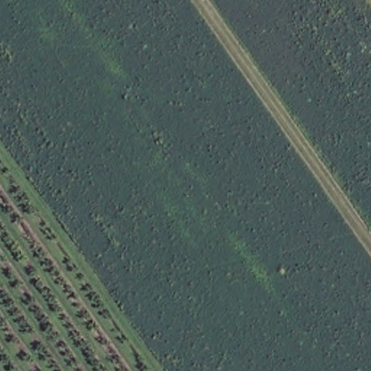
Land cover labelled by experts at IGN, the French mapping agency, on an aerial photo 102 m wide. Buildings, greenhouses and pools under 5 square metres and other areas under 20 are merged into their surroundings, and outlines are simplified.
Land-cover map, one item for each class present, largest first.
<instances>
[{"label":"agricultural land","instance_id":"1","mask_svg":"<svg viewBox=\"0 0 371 371\"><path fill-rule=\"evenodd\" d=\"M0 141L14 162L25 171V178L33 190L51 207L59 228L67 233L71 242L77 246L78 252L90 262L101 283L109 291V296L119 307L120 312L128 317L130 325L139 333L146 348L162 365L164 371H371V258L357 241L352 230L343 222L341 214L330 203L312 172L285 139L284 133L262 106L257 94L246 83L241 72L235 67L190 0H0ZM217 12L235 33L246 52L251 55L252 61L262 72L265 80L277 91L285 109L296 120L304 136L312 143L317 154L332 175H335L342 190L361 214L368 230H371V0H212Z\"/></svg>","mask_w":371,"mask_h":371},{"label":"herbaceous vegetation","instance_id":"2","mask_svg":"<svg viewBox=\"0 0 371 371\"><path fill-rule=\"evenodd\" d=\"M235 67L241 72L246 83L257 94L262 106L284 133L285 139L312 172L330 203L341 214L343 222L352 230L357 241L371 258V230H368L361 214L342 190L335 175H332L317 154L312 143L304 136L296 120L285 109L277 91L265 80L262 72L252 61L251 55L246 52L235 33L217 12L212 0H190ZM22 193L28 196L29 213L19 226L16 222L17 216H22L23 212L14 199ZM80 339L87 342L90 354L106 368V371H164L162 365L146 348L139 333L130 325L128 317L120 312L119 307L109 296V291L101 283L90 262L78 252L77 246L71 242L67 233L59 228L51 207L33 190L25 178V171L14 162L0 141V371H90L83 354L77 348Z\"/></svg>","mask_w":371,"mask_h":371},{"label":"deciduous trees","instance_id":"3","mask_svg":"<svg viewBox=\"0 0 371 371\"><path fill-rule=\"evenodd\" d=\"M23 212L22 216H17L16 222L19 226L29 213L28 196L22 193L14 199ZM77 348L83 354L90 371H106V368L90 354L87 342L80 339Z\"/></svg>","mask_w":371,"mask_h":371}]
</instances>
